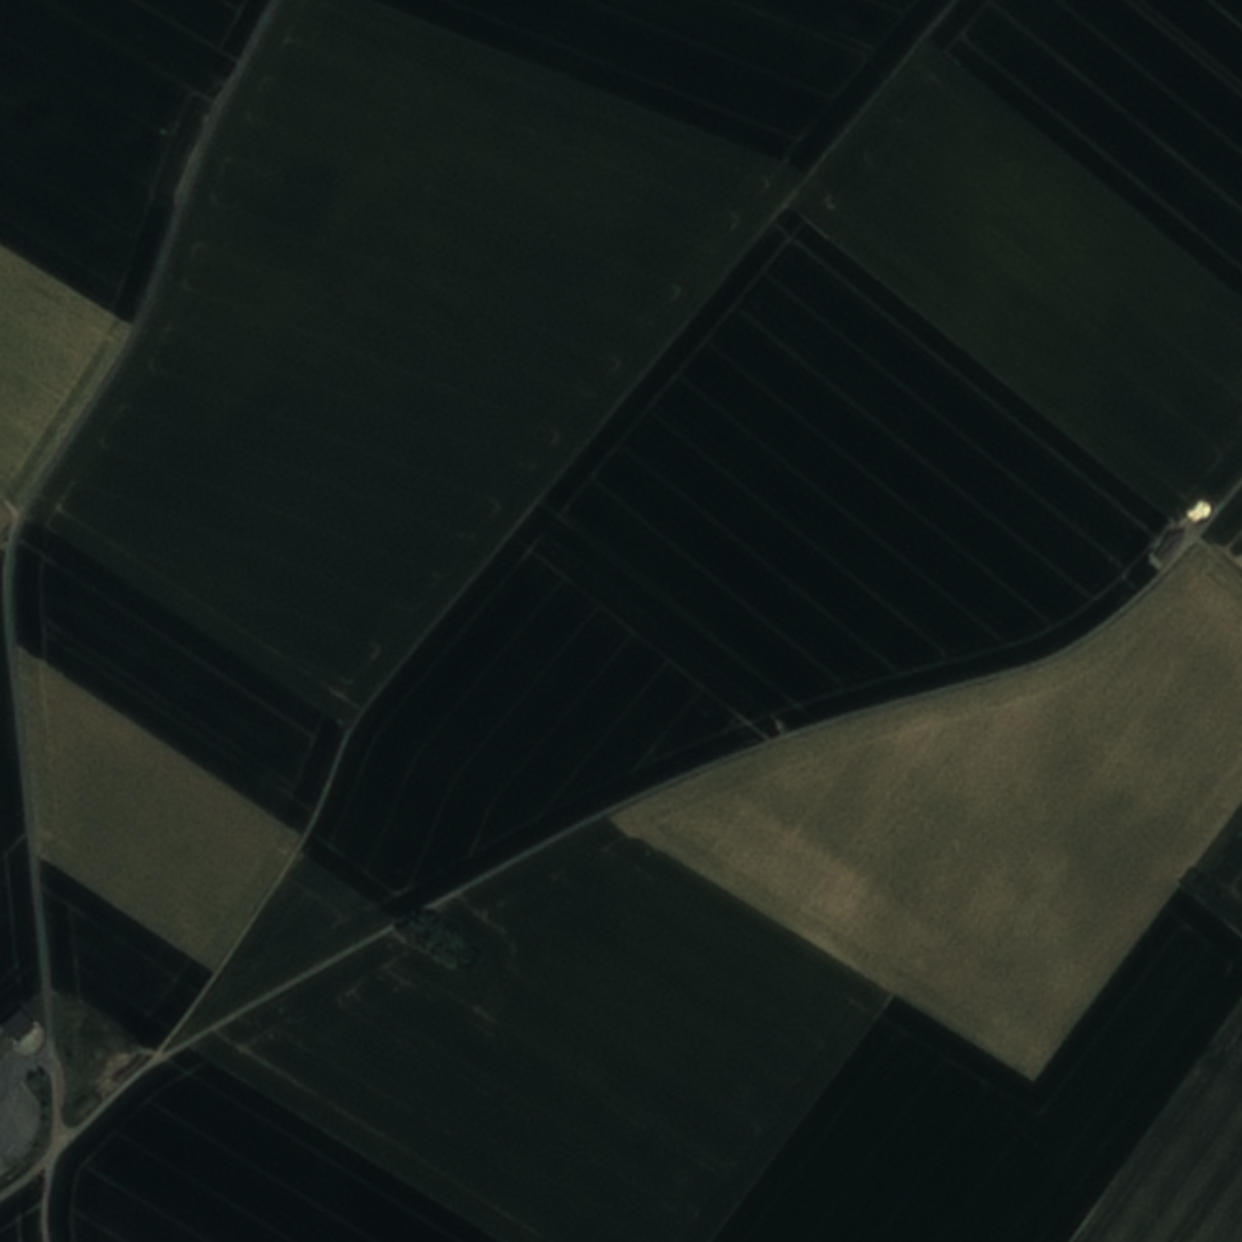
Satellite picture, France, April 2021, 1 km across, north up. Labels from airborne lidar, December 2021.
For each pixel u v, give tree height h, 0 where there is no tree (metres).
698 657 0
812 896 0
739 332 0
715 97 0
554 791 0
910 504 0
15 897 0
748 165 0
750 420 0
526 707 0
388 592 0
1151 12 0
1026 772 0
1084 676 0
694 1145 0
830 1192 0
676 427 0
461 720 0
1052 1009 0
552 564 0
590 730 0
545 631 0
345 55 0
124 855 0
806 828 0
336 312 0
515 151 0
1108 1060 0
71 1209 0
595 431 0
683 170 0
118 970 0
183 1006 0
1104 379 0
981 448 0
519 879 0
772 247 0
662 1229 0
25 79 0
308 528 0
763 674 0
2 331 0
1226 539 0
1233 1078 0
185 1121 0
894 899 0
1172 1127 0
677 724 0
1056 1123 0
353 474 0
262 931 0
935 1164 0
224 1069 0
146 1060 0
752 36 0
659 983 0
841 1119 0
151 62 0
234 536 0
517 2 0
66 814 0
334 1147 0
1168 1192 0
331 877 0
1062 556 0
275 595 0
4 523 0
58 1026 0
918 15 0
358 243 0
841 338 0
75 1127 0
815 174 0
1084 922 0
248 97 0
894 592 0
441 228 0
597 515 0
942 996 0
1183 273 0
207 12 0
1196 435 0
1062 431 0
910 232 0
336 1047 0
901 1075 0
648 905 0
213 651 0
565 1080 0
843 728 0
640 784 0
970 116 0
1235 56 0
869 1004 0
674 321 0
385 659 0
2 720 0
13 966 0
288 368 0
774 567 0
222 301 0
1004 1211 0
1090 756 0
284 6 0
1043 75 0
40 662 0
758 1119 0
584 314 0
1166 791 0
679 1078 0
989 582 0
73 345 0
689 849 0
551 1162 0
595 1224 0
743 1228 0
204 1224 0
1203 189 0
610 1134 0
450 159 0
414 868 0
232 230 0
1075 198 0
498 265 0
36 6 0
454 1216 0
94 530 0
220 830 0
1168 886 0
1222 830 0
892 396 0
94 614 0
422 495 0
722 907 0
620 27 0
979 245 0
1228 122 0
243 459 0
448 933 12
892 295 0
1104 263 0
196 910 0
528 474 0
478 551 0
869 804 0
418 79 0
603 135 0
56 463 0
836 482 0
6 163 0
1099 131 0
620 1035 0
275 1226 0
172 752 0
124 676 0
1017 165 0
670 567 0
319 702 0
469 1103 0
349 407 0
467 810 0
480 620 0
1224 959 0
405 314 0
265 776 0
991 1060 0
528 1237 0
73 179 0
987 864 0
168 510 0
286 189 0
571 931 0
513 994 0
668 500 0
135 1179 0
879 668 0
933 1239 0
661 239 0
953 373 0
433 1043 0
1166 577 0
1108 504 0
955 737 0
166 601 0
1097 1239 0
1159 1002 0
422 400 0
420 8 0
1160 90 0
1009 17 0
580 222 0
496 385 0
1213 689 0
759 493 0
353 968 0
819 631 0
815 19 0
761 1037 0
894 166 0
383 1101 0
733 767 0
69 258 0
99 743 0
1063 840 0
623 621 0
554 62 0
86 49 0
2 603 0
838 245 0
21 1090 0
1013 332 0
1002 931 0
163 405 0
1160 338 0
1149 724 0
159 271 0
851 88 0
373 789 0
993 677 0
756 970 0
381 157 0
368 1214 0
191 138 0
